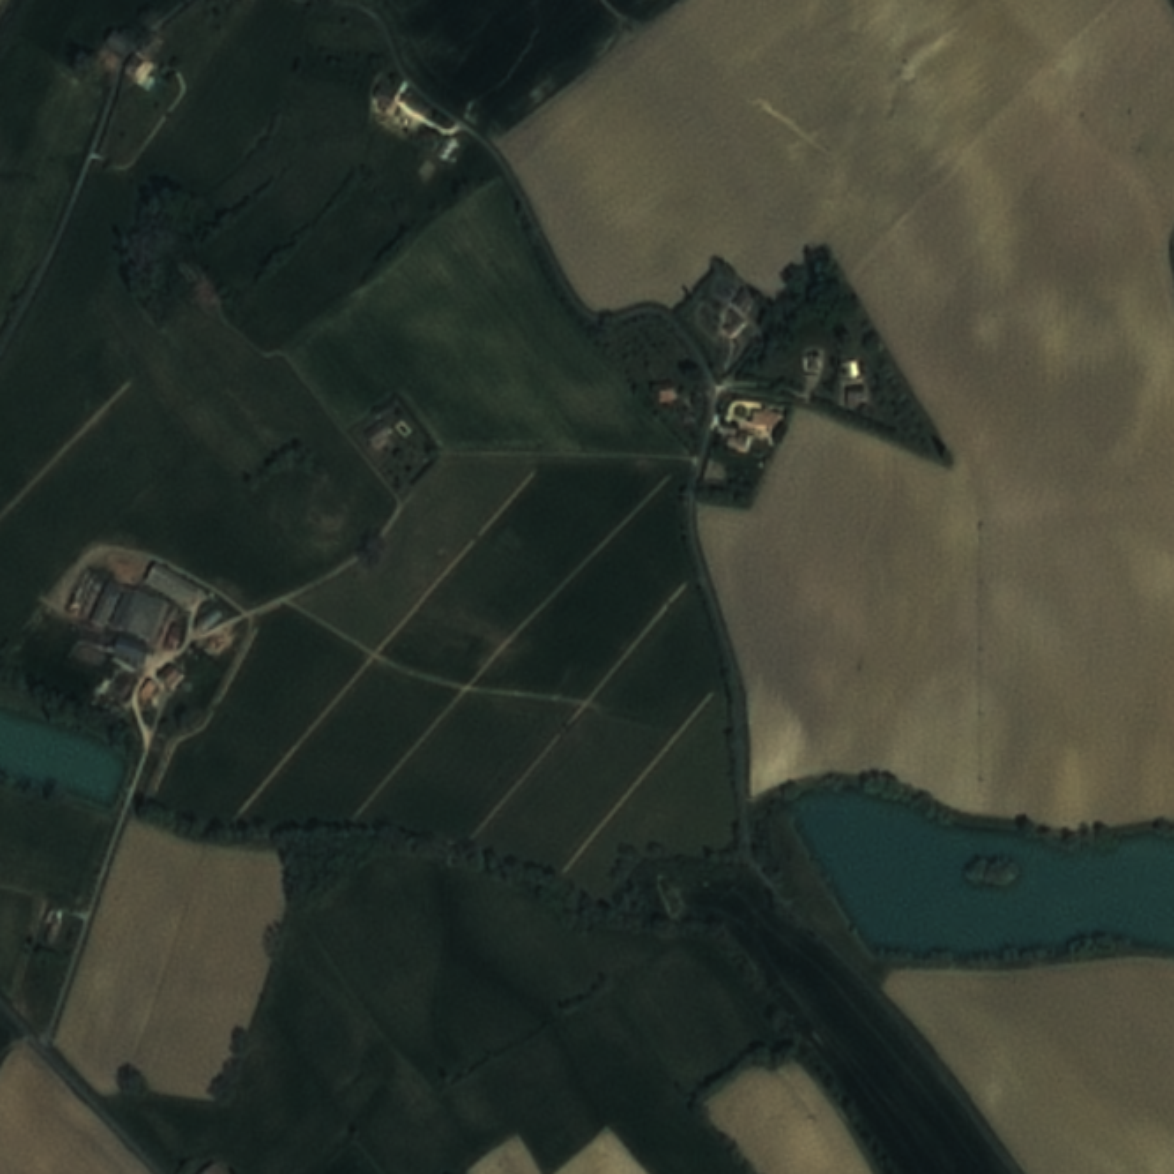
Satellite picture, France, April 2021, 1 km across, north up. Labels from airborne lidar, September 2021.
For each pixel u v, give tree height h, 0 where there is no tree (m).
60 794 15
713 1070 0
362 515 0
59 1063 0
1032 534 0
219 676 0
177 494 0
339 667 0
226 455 0
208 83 0
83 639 0
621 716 0
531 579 0
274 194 0
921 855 0
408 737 0
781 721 0
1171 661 0
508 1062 0
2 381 0
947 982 0
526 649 0
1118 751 0
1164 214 0
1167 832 11
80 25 0
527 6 0
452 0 0
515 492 0
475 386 0
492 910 0
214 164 0
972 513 0
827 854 0
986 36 0
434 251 0
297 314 0
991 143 0
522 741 0
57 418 0
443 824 0
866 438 0
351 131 0
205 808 0
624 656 0
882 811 0
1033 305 0
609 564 0
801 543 0
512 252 0
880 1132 0
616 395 0
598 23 0
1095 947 13
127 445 0
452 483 0
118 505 0
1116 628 0
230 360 0
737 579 0
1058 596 0
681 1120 0
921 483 0
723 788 0
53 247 0
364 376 0
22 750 0
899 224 0
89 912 0
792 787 10
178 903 0
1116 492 0
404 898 0
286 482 0
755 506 0
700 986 0
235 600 0
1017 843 0
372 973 0
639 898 9
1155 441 0
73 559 0
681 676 0
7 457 0
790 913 13
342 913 0
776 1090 0
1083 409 0
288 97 0
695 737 0
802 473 0
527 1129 0
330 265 0
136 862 0
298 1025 0
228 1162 0
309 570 0
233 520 0
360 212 0
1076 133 0
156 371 0
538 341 0
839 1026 0
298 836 16
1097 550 0
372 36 0
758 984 10
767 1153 0
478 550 0
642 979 0
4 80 0
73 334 0
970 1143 0
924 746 0
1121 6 0
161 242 13
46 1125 0
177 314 0
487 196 0
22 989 0
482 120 0
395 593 0
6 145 0
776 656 0
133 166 0
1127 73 0
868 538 0
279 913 0
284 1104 0
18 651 0
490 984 0
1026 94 0
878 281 0
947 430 0
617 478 0
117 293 0
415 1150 0
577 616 0
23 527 0
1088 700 0
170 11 0
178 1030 0
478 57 0
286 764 0
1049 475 0
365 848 15
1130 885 0
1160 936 0
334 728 0
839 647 0
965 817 0
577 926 13
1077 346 0
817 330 0
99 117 0
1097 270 0
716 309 8
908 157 0
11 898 0
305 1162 0
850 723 0
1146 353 0
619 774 0
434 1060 0
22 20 0
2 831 0
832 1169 0
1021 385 0
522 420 0
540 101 0
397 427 0
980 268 0
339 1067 0
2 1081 0
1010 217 0
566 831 0
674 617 0
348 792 0
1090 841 18
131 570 0
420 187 0
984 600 0
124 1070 0
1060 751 0
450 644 0
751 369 9
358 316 0
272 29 0
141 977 0
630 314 0
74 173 0
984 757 0
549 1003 0
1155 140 0
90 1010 0
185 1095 0
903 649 0
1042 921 0
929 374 0
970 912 0
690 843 0
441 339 0
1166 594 0
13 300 8
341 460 0
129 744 24
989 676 0
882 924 0
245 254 0
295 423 0
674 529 0
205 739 0
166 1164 0
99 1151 0
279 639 0
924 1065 0
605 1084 0
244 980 0
